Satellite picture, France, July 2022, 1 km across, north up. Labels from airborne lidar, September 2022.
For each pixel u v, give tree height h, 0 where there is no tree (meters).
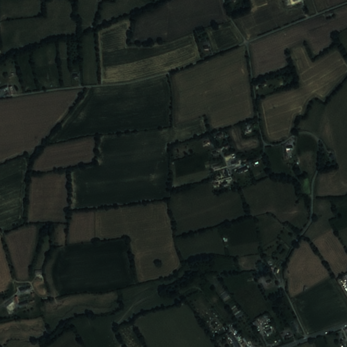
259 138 8
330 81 0
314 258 0
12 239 0
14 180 0
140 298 0
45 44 13
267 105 0
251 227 0
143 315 13
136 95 0
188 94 0
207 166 0
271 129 0
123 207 7
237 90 0
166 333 0
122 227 0
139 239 0
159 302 0
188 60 0
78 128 0
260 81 12
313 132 0
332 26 0
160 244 0
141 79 0
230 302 0
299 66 0
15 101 0
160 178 0
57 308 0
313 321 0
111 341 0
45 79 0
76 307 0
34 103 0
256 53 0
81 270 0
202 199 0
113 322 0
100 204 0
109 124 0
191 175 0
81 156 0
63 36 16
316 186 0
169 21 0
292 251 7
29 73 0
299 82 20
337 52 0
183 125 0
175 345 0
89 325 0
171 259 0
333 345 0
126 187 0
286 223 10
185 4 0
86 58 0
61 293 0
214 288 18
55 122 0
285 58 0
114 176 0
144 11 16
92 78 0
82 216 0
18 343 0
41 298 0
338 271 0
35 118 0
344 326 0
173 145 14
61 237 0
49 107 0
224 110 0
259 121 9
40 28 0
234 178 10
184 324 0
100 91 0
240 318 7
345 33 0
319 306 0
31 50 18
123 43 0
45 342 8
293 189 0
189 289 0
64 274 0
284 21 0
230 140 13
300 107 0
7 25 0
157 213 0
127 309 0
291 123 0
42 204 0
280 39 0
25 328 0
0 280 0
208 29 0
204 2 0
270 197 0
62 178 0
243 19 0
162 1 13
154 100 0
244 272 8
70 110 12
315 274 0
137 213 0
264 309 0
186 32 0
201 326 22
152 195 0
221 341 6
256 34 0
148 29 0
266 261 8
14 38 0
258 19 0
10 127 0
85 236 0
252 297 0
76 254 0
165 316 0
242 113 0
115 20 13
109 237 0
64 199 0
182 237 9
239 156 7
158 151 0
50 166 0
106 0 7
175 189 16
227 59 0
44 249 0
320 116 0
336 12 0
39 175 15
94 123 0
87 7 0
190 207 0
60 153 0
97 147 8
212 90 0
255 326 17
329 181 0
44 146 13
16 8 0
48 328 21
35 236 0
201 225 0
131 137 0
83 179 0
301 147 0
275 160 0
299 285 0
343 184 0
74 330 13
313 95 0
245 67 0
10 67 0
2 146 0
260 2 0
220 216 0
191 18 0
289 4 0
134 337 0
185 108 0
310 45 0
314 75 0
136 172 0
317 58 9
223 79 0
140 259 0
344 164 0
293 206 0
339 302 0
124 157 0
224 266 0
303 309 0
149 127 0
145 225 0
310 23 0
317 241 0
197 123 0
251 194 0
